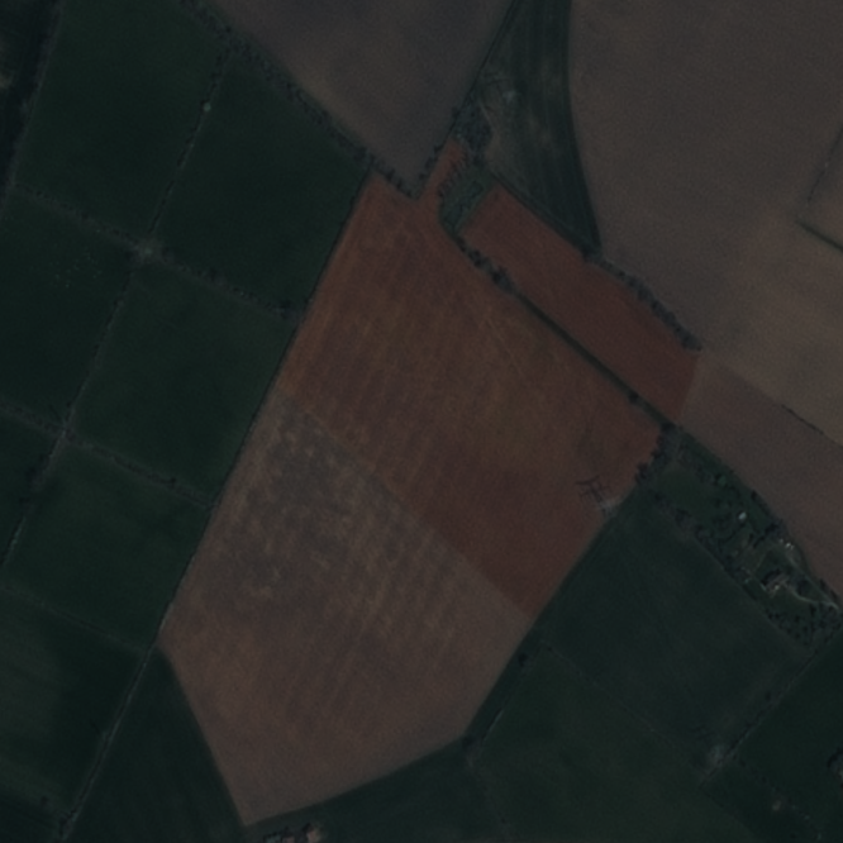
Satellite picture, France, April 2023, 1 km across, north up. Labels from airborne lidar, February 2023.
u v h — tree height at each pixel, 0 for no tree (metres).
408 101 0
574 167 0
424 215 0
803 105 0
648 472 17
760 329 0
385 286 0
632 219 0
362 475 0
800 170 0
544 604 0
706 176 0
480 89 0
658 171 0
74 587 0
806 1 0
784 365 0
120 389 0
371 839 0
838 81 0
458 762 0
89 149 0
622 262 0
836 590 0
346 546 0
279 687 0
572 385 0
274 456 0
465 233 0
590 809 0
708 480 10
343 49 0
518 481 0
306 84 0
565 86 0
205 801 0
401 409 0
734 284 0
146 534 0
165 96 0
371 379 0
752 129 0
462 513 0
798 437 0
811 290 0
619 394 0
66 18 0
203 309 0
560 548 0
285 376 0
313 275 0
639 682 0
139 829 0
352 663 0
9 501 0
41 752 0
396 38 0
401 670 0
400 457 0
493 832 0
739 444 0
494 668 0
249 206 0
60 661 0
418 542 0
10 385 0
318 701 0
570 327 0
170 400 0
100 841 0
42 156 0
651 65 0
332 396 0
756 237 0
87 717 0
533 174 0
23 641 0
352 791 0
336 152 0
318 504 0
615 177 0
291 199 0
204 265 0
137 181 0
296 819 0
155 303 0
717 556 11
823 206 0
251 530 0
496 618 0
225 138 0
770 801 0
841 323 0
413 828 0
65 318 0
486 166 16
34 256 0
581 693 0
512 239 0
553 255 0
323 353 0
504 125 0
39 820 0
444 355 0
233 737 0
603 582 0
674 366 0
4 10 0
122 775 0
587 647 0
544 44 0
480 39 0
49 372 0
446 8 0
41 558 0
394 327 0
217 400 0
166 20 0
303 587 0
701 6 0
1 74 0
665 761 0
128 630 0
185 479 0
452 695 0
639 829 0
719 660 0
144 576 0
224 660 0
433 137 0
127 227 0
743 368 0
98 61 0
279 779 0
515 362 0
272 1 0
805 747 0
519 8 0
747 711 0
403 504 0
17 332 0
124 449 0
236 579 0
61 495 0
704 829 0
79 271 0
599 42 0
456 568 0
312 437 0
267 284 0
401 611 0
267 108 0
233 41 13
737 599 0
